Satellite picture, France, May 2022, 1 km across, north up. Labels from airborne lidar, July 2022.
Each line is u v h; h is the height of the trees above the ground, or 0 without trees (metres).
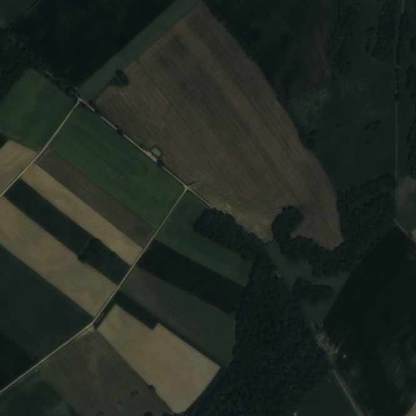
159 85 0
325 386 0
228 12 0
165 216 0
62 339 0
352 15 17
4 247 0
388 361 0
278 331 20
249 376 31
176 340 0
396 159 0
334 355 0
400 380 0
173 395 0
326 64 0
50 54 0
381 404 0
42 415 0
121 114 0
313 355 28
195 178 0
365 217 16
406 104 0
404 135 0
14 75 20
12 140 0
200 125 0
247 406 26
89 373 0
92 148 0
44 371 0
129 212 0
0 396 0
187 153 0
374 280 0
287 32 0
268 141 0
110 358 0
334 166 0
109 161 0
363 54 0
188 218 0
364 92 0
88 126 0
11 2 0
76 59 0
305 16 0
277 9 0
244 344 22
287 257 18
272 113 0
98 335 0
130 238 0
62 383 0
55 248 0
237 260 0
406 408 0
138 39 0
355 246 21
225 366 0
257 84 0
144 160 0
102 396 0
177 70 0
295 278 0
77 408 0
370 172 0
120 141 0
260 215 0
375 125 13
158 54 0
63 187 0
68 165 0
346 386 0
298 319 23
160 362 0
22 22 0
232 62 0
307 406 0
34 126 0
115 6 0
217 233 21
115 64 0
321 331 0
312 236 0
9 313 0
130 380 0
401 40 18
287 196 0
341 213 11
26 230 0
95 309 0
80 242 0
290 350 6
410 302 0
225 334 0
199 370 0
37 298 0
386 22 18
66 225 0
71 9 0
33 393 0
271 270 26
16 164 0
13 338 0
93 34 0
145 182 0
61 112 0
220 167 0
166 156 0
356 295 0
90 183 0
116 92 0
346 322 0
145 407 0
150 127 0
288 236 14
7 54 18
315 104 0
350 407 0
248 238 25
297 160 0
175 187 0
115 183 0
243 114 0
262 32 0
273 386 13
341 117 0
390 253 0
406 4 0
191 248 0
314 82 0
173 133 0
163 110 0
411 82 20
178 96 0
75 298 0
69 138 0
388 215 16
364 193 15
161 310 0
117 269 0
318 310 0
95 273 0
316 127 0
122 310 0
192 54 0
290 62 0
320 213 0
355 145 0
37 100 0
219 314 0
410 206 0
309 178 0
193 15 0
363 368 0
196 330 0
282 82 0
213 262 0
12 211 0
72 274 0
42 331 0
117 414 0
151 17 0
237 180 0
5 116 0
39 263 0
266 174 0
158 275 0
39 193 0
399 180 0
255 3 0
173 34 0
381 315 0
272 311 29
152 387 13
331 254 18
